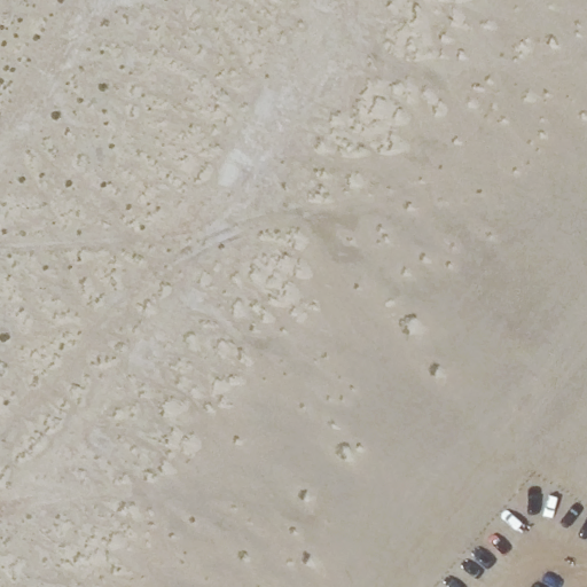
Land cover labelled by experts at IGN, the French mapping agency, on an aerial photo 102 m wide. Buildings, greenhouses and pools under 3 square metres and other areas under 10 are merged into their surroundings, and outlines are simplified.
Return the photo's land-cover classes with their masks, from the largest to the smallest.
<instances>
[{"label":"bare soil","instance_id":"1","mask_svg":"<svg viewBox=\"0 0 587 587\"><path fill-rule=\"evenodd\" d=\"M0 587H587V0H0Z\"/></svg>","mask_w":587,"mask_h":587}]
</instances>
